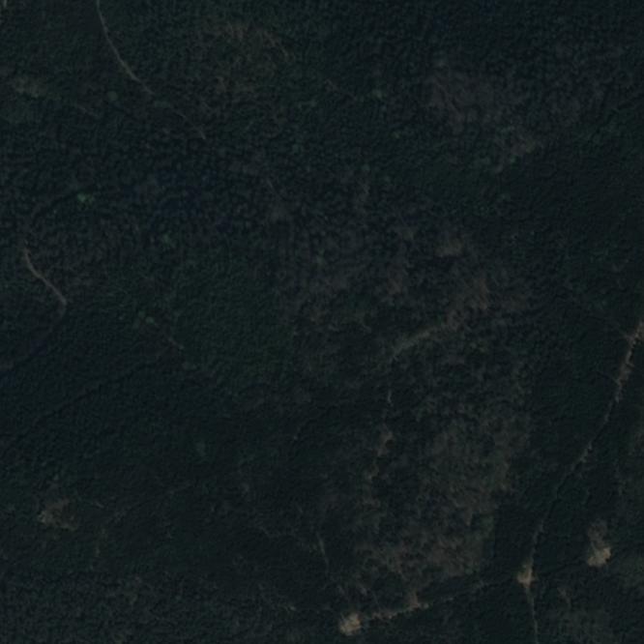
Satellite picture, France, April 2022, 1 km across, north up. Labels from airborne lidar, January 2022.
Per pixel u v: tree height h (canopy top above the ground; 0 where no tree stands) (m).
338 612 8
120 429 17
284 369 12
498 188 14
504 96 24
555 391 19
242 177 33
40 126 19
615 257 21
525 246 21
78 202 23
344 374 14
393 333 9
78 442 24
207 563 8
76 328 17
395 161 16
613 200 16
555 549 18
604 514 17
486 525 21
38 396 23
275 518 8
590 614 15
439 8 26
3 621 29
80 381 27
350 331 10
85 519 8
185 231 33
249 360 13
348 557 9
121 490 10
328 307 6
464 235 22
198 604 16
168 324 13
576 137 15
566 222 18
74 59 13
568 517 16
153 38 11
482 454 9
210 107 9
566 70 31
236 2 22
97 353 24
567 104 25
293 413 13
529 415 22
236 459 10
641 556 20
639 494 10
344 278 26
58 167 28
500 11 17
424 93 23
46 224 29
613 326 12
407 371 6
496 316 19
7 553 10
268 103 10
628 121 16
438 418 12
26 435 16
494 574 15
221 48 8
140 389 20
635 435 12
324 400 14
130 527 9
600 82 21
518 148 22
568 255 13
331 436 10
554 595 19
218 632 25
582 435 18
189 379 12
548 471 17
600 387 18
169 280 13
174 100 20
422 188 9
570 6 20
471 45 23
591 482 15
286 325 9
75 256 22
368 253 26
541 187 20
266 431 12
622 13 19
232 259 10
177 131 35
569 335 23
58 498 9
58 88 26
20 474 11
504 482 17
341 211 31
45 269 9
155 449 14
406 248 26
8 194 31
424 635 7
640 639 23
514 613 16
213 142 30
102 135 28
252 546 8
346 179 24
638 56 15
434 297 24
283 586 7
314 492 12
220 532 10
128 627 27
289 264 12
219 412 22
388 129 18
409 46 30
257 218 36
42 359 23
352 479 11
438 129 13
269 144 20
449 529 8
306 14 25
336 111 8
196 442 11
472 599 11
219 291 8
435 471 9
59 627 16
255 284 9
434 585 10
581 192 20
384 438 20
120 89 17
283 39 11
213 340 7
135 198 34
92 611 24
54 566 10
